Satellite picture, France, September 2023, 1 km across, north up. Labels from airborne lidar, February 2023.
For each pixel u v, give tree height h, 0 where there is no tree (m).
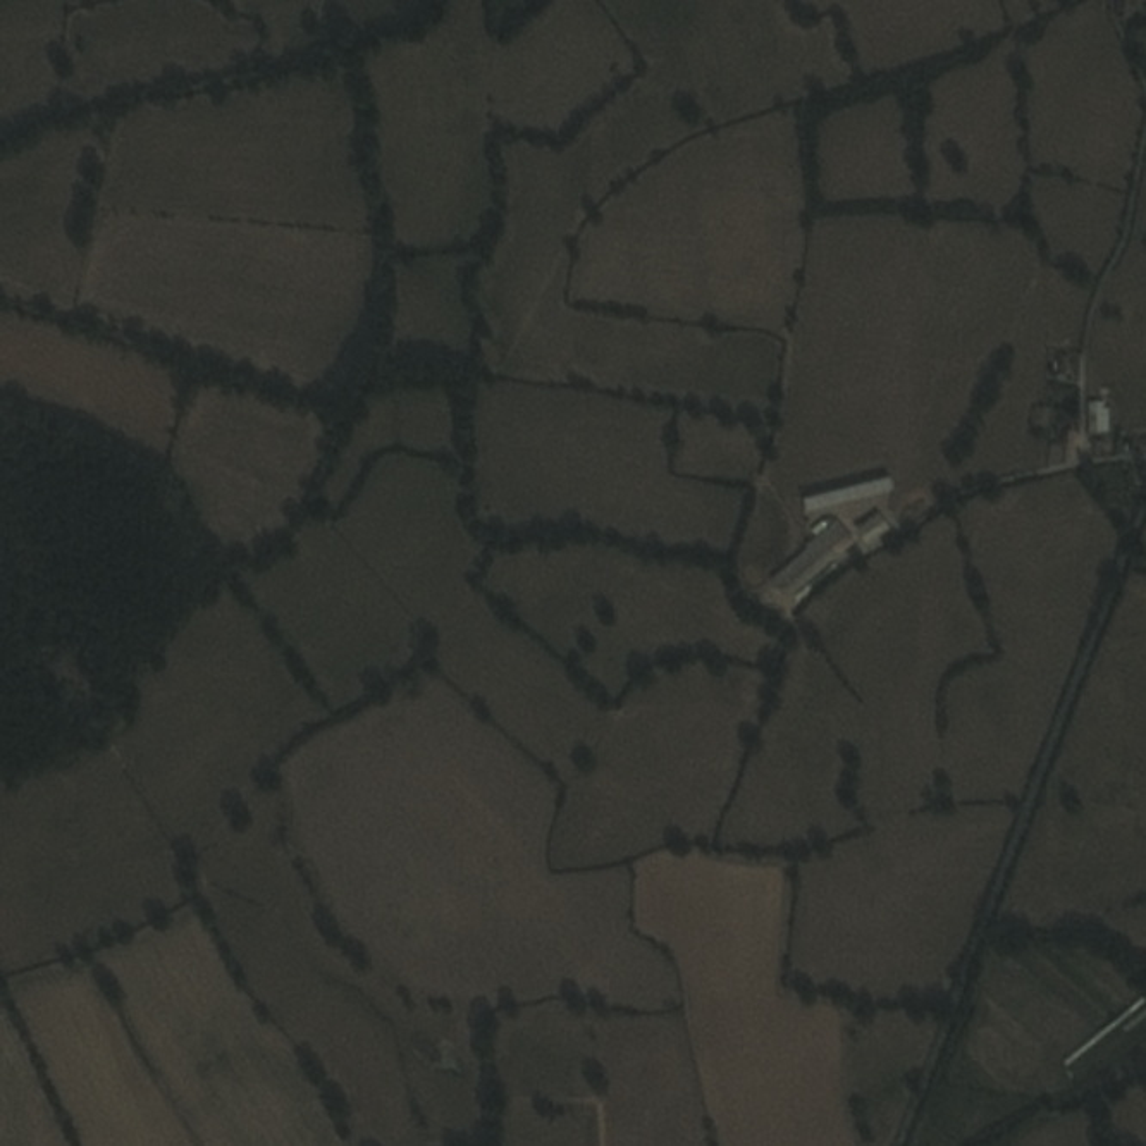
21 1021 13
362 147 20
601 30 0
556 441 0
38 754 18
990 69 0
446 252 8
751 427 19
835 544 0
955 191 0
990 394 16
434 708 0
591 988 0
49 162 0
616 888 0
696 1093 0
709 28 0
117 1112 0
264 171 0
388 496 0
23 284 0
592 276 0
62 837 0
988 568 0
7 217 0
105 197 0
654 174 0
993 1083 0
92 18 0
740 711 0
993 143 0
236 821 21
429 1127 0
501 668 0
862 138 0
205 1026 0
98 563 24
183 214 0
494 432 0
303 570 0
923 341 0
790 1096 0
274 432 0
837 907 0
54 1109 13
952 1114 0
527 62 0
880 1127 0
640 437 0
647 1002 0
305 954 0
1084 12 0
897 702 0
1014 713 0
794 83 0
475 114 0
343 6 0
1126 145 0
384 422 0
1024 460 0
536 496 0
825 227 0
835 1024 0
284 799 0
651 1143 0
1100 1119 18
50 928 0
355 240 0
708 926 0
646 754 0
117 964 0
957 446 13
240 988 10
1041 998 0
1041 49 0
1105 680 0
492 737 0
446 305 0
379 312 19
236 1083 0
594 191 0
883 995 0
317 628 0
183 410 9
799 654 0
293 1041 0
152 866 0
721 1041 0
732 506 0
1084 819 0
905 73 7
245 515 0
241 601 12
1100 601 12
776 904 0
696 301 0
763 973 0
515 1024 0
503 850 0
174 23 0
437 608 0
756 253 0
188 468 0
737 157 0
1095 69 0
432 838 0
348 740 0
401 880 0
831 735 0
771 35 0
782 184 0
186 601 22
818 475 0
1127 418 0
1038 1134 0
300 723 0
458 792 0
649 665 15
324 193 0
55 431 18
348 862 0
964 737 0
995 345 0
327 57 19
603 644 0
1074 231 0
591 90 0
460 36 0
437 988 0
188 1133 0
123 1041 0
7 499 22
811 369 0
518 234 0
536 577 0
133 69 0
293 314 0
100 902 0
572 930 0
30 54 0
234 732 0
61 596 25
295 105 0
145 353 17
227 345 0
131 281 0
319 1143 0
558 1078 0
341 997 0
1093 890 0
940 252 0
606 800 0
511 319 0
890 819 0
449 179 0
